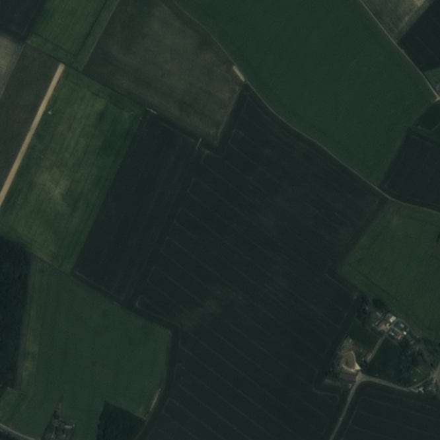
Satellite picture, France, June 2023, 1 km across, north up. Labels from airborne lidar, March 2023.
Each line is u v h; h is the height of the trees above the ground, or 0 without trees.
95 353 0
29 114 0
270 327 0
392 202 0
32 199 0
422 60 0
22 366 0
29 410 0
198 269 0
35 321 0
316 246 0
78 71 0
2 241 15
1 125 0
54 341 0
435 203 0
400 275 0
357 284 0
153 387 0
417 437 0
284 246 0
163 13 0
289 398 0
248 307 0
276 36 0
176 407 0
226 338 0
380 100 0
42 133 0
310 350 0
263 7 0
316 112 0
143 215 0
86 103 0
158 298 0
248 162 0
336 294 0
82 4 0
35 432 0
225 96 0
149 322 0
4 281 17
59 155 0
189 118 0
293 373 0
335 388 0
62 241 0
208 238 0
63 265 0
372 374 0
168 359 0
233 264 0
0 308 11
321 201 0
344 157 0
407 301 0
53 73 0
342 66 0
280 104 0
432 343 14
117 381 0
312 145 0
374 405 0
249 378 0
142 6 0
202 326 0
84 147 0
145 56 0
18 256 21
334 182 0
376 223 0
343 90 0
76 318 0
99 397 0
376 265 0
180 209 0
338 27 0
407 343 7
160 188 0
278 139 0
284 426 0
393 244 0
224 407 0
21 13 0
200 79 0
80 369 0
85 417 0
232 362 0
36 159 0
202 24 0
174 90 0
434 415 0
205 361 0
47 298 0
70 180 0
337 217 0
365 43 0
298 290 0
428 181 0
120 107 0
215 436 0
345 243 0
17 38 0
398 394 0
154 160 0
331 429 0
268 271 0
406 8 0
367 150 0
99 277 0
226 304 0
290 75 0
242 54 0
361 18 0
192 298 0
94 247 0
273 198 0
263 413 0
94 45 0
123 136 0
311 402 0
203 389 0
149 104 0
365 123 0
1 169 0
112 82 0
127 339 0
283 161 0
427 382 6
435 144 0
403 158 0
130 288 0
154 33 0
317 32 0
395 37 0
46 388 0
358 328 0
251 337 0
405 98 0
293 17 0
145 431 0
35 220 0
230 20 0
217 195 0
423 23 0
